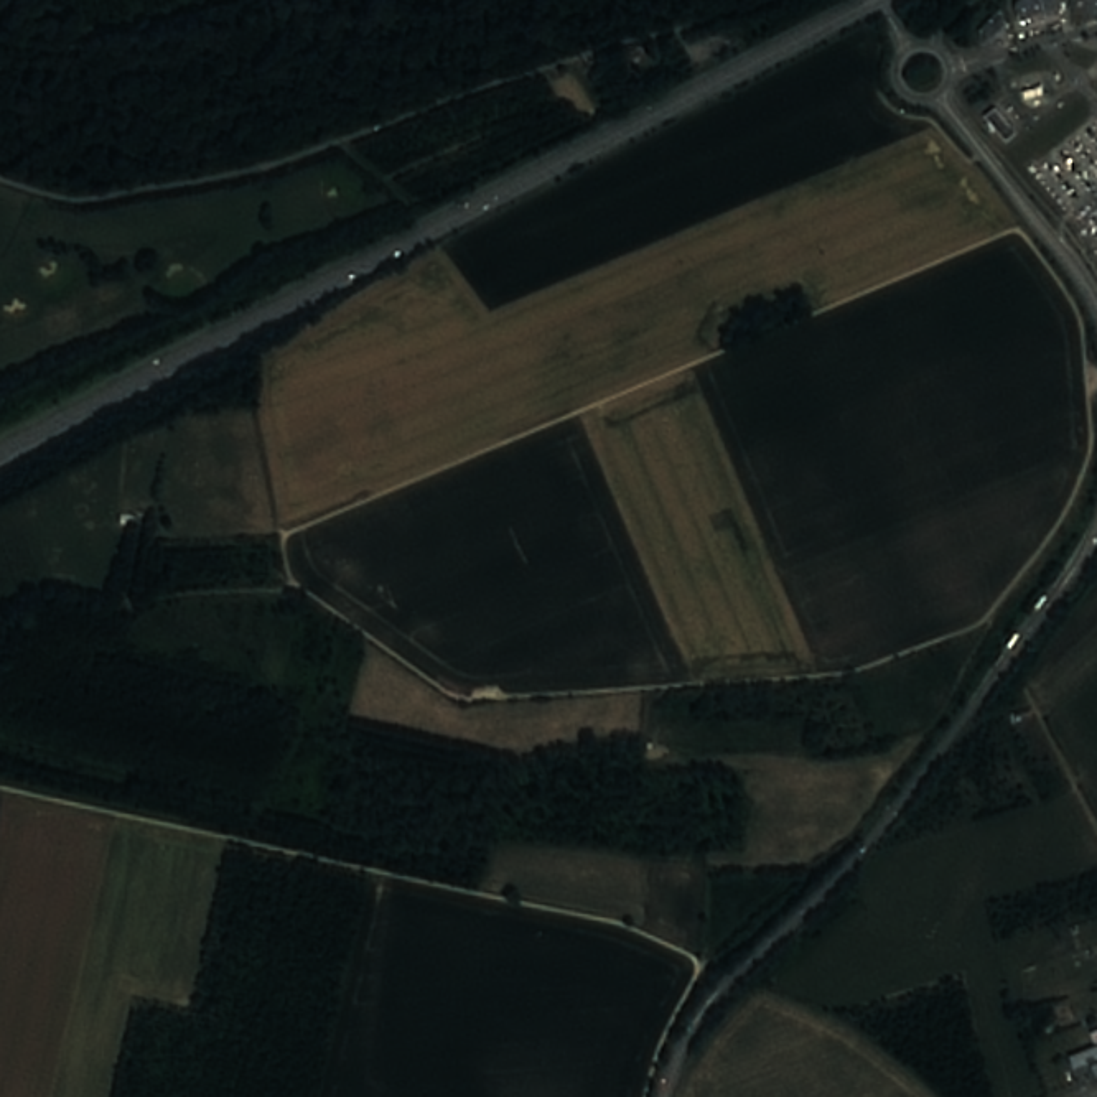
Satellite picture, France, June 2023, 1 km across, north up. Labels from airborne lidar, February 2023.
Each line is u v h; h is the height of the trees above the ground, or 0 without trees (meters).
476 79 17
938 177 0
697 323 0
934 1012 6
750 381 0
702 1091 0
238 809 16
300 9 23
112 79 23
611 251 0
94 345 14
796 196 0
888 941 0
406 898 0
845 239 0
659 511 0
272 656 0
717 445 0
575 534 0
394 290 0
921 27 14
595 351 0
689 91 0
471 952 0
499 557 0
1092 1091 0
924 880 0
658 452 0
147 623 0
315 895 7
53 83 23
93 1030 0
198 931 0
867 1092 0
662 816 17
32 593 18
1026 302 0
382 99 24
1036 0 0
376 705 0
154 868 0
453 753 10
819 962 0
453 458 0
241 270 14
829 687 7
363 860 12
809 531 0
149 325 11
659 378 0
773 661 0
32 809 0
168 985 0
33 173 22
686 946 0
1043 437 0
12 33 20
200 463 0
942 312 0
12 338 0
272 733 16
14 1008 0
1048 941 0
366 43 24
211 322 9
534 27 24
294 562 0
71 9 20
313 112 23
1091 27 0
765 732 0
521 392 0
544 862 0
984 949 0
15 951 0
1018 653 0
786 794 0
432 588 0
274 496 0
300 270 8
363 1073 0
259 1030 6
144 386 0
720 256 0
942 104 0
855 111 0
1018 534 0
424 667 0
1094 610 0
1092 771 0
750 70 0
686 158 0
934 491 0
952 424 0
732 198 0
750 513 0
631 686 0
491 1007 0
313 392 0
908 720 0
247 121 20
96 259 10
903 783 7
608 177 0
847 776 0
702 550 0
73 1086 0
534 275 0
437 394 0
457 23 23
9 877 0
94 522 0
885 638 0
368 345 0
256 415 0
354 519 0
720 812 21
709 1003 0
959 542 0
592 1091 0
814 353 0
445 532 0
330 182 0
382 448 0
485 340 0
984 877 0
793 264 0
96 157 23
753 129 0
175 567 13
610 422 0
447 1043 0
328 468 0
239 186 9
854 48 0
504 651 0
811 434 0
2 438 0
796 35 0
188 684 10
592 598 0
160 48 25
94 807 0
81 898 0
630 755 20
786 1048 0
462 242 0
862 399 0
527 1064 0
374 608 0
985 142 0
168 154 21
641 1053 0
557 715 0
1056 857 0
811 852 0
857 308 0
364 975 0
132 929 0
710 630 0
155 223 0
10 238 0
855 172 0
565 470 0
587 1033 0
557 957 0
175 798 17
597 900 0
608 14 23
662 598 0
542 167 0
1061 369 0
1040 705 0
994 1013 0
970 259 0
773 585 0
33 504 0
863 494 0
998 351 0
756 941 7
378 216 11
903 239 0
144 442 0
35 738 16
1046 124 0
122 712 15
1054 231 0
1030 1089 0
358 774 21
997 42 0
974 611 0
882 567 0
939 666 0
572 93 0
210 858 0
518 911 0
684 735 0
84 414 0
